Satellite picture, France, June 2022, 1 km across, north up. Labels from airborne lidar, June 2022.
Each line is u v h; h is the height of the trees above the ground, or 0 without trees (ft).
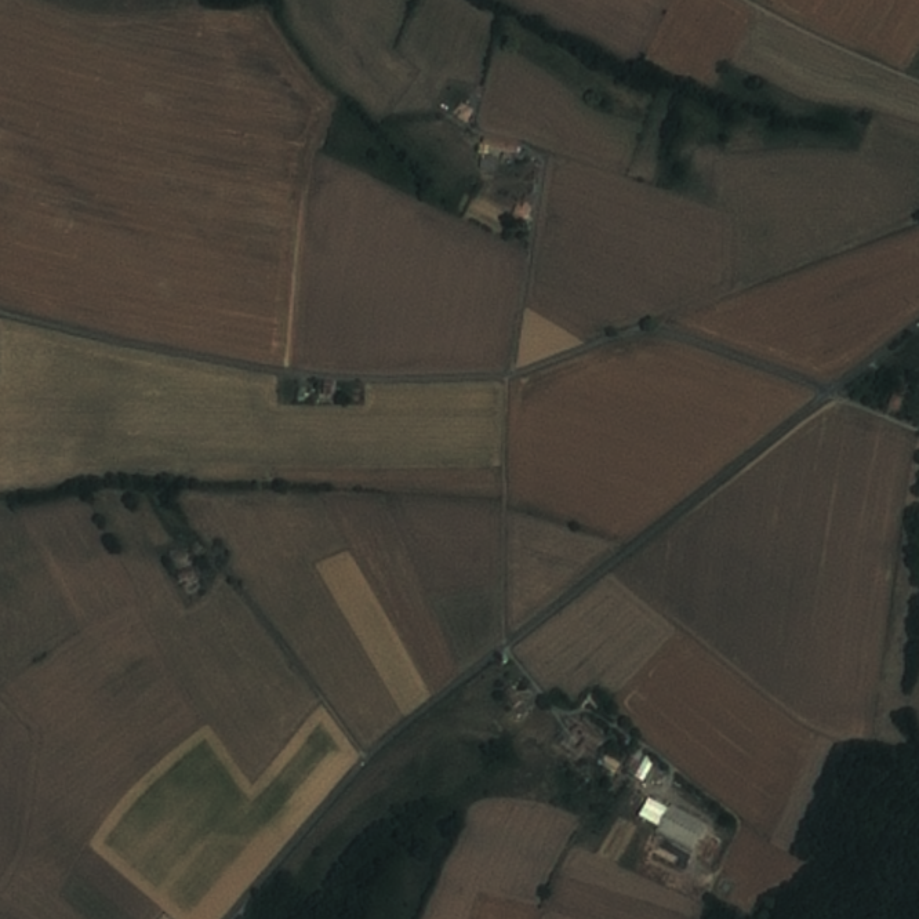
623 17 0
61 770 0
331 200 0
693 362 0
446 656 0
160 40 0
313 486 25
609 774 20
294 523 0
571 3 0
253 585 0
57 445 0
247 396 0
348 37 0
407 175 0
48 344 0
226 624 0
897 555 0
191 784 0
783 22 0
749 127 0
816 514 0
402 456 0
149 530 0
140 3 0
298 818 0
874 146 0
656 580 0
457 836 57
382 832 66
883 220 0
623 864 0
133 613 0
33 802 0
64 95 0
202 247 0
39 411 0
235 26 0
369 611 0
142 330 0
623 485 0
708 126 0
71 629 0
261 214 0
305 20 0
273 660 0
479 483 0
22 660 0
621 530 0
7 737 0
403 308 0
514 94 0
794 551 0
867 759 67
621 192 0
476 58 0
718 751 0
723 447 0
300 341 0
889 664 0
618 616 0
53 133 0
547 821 0
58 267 0
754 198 0
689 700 0
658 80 55
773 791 0
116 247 0
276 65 0
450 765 0
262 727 0
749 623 0
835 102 0
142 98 0
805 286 0
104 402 0
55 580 0
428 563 0
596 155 0
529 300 0
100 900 0
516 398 0
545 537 0
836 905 67
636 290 0
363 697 0
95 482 59
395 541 0
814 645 0
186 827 0
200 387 0
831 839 67
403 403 0
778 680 0
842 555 0
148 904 0
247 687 0
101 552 0
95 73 0
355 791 0
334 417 0
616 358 0
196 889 0
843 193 0
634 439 0
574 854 0
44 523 0
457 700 0
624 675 0
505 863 0
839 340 0
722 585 0
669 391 0
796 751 0
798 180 0
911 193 0
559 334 0
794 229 0
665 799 0
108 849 0
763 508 0
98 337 0
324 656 0
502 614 0
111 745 0
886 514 0
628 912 0
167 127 0
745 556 0
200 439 0
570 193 0
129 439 0
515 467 0
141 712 0
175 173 0
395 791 0
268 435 0
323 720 0
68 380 0
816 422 0
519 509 0
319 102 0
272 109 0
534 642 0
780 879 0
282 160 0
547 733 0
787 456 0
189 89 0
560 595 0
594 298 0
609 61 69
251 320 0
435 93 0
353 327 0
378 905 0
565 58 0
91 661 0
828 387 0
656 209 0
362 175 0
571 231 0
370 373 0
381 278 0
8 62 0
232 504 0
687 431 0
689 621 0
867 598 0
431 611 0
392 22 0
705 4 0
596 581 0
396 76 0
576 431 0
